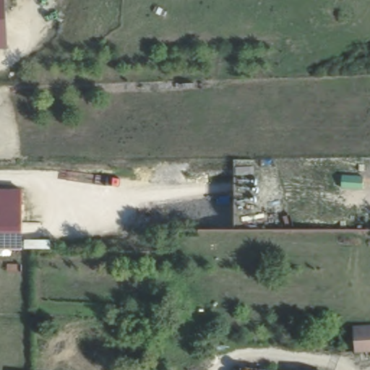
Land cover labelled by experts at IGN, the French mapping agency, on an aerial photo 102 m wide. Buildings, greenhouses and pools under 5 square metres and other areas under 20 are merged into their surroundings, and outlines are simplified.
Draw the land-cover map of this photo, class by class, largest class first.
<instances>
[{"label":"herbaceous vegetation","instance_id":"1","mask_svg":"<svg viewBox=\"0 0 370 370\"><path fill-rule=\"evenodd\" d=\"M53 14L45 17V20L52 22L48 35L39 43L38 48L20 56L17 61L19 64L32 62L33 59L39 61L42 55L62 58L65 52H74L72 42H84L97 36H101L103 42L111 40L116 43L121 56L137 55L140 51V40L145 38L169 42L185 35H195L199 40L254 38L269 43V49H264L263 55L260 56L263 65L238 64L236 78L309 75V65L330 56L341 55L347 51V46L351 45V42L370 40V0H55ZM244 155L249 159H237L233 162V194L230 191H223L217 192L220 195L217 199H210V195L204 194L201 198L184 199L172 204L156 205L153 208H139L142 223L147 225L160 227L165 224L168 228H182L185 237L181 240L179 250L184 251L186 262H195L201 269L217 266L214 275L189 283V302L195 308L194 314L189 321L179 327V343L172 350L165 351V354L158 358V366L150 370H208L215 356L221 358V366H225L233 360L230 358L231 351L240 348L231 341L228 345H217V348L207 351V356L210 357L208 360L194 361L189 357V353L195 351V341L205 340L208 332L217 330L218 314L212 309L220 304L230 315H236L237 308H249L247 330L256 331L263 325L270 332L269 344L272 347L295 351L298 343L304 341L301 338V331L309 332L317 319L335 314L344 324L341 325L340 332L328 343L334 348L331 354L343 356L354 350L353 328L370 325V205L345 207L344 194L340 192L341 182L343 176L361 175L363 179L370 178V158L269 159L267 155L257 153L244 152ZM263 176L277 179V186L282 191L279 212L275 211V208H264L251 202L254 179L259 181ZM285 251L291 254V269L305 267L304 273L292 280L288 288L272 292L262 283L251 279L256 272L264 273L266 269L282 266ZM22 169L52 171L58 172L59 179L95 185H111L114 178L134 181L146 169L150 173L158 172L163 178L182 173L185 178L195 179L205 172L202 168V159H189L186 163H156L152 168L139 166L132 171L124 168L110 169L104 165L90 163L56 165L52 160L39 162L36 155L26 158L20 153L16 158L10 159H3L0 156V172ZM142 237L119 227L116 233L106 236H92L87 231H81L77 237H55L49 246L55 247L62 243H65L66 247L85 246L92 253L95 247L101 244L106 247V253L97 259H68L59 256L55 260L39 257L36 260L38 266L30 273L29 249H26L14 251L10 256L0 254V370H33L32 334L40 330V327H42V324H43V322H48V321H58V322H59V332L64 330L68 322L78 321L82 330V337L77 343L78 350L90 363L101 366V370H113L117 358L127 357L143 361L146 350L140 347H113L110 344L111 340L119 338L120 328L108 324L107 312L126 306L129 299H136L140 308L149 305L152 308L155 304H162L166 289L169 288L168 282H156L149 277L142 282L132 277L123 282L113 279L111 272L117 259H158V249L142 246Z\"/></svg>","mask_w":370,"mask_h":370},{"label":"agricultural land","instance_id":"2","mask_svg":"<svg viewBox=\"0 0 370 370\"><path fill-rule=\"evenodd\" d=\"M207 87L202 90L194 82L172 84L153 81L145 82L143 87H137L134 82L103 84L101 88L111 94L110 106L104 110L95 108L92 113L84 116V121L77 130L55 119L52 120L51 126L42 129L35 121L25 119L16 111L14 117L19 133L20 153L26 158L36 155L39 162L52 160L56 165L90 163L104 165L110 169L124 168L132 171L139 166L152 168L156 163H186L189 159H202V168L205 172L217 169L223 173L225 156L244 155V152L257 153L267 155L269 159L370 158V74L366 72L358 75L319 77L309 75L236 78L207 79Z\"/></svg>","mask_w":370,"mask_h":370},{"label":"pervious surface","instance_id":"3","mask_svg":"<svg viewBox=\"0 0 370 370\"><path fill-rule=\"evenodd\" d=\"M55 0H0V69L4 71L17 61L20 56L38 48L39 43L48 35L52 22L45 20V17L53 14ZM16 111L10 100V87L3 85L0 88V156L3 159H10L16 158L20 153L19 133L14 117ZM237 159H249L244 155L225 156L223 173L217 169L205 172L195 179L185 178L182 173L163 178L158 172L150 173L146 169L134 181L114 178L111 185H95L59 179L58 172L52 171L22 169L0 172V179L22 188L20 228L23 234L20 237L25 241L26 249H29L46 250L49 246L55 237H77L81 231H87L92 236H106L116 233L119 227L142 237L149 228L147 225L142 223L139 208H153L156 205L172 204L184 199L201 198L204 194L210 195V199H217L220 195L217 192L223 191H230L233 194V162ZM251 202L264 208H275V211L279 212L282 191L277 186V179L263 176L259 181L254 179ZM340 192L344 194L345 207L370 205V178L363 179L361 184L341 182ZM82 330L78 321L68 322L64 330L59 332H58V335H55V337L51 338V340H49V341H48L40 356L43 370H101V366L90 363L78 350L77 343L82 337ZM230 358L233 360L225 366H221V358L215 356L208 370H370V351L354 350L343 356L331 354L295 351L272 347L240 348L231 351Z\"/></svg>","mask_w":370,"mask_h":370},{"label":"coniferous trees","instance_id":"4","mask_svg":"<svg viewBox=\"0 0 370 370\"><path fill-rule=\"evenodd\" d=\"M74 52H65L62 58L42 55L39 61L33 59L32 62L19 64L17 61L4 71L0 69V88L3 85L10 87V100L16 111L25 119L35 121L42 129L51 126L52 120L55 119L77 130L84 121V116L92 113L95 108L104 110L110 106L111 94L101 88L103 84L134 82L137 87H143L145 82L153 81L172 84L194 82L202 90L207 87V79L236 78L238 64L263 65L260 56L263 55L264 49H269V43L254 38L199 40L195 35H185L169 42L145 38L140 40V51L137 55L121 56L116 43L111 40L103 42L101 36H97L84 42H72Z\"/></svg>","mask_w":370,"mask_h":370},{"label":"deciduous trees","instance_id":"5","mask_svg":"<svg viewBox=\"0 0 370 370\"><path fill-rule=\"evenodd\" d=\"M149 228L142 237V246L158 249V259H117L111 272L113 279L123 282L132 277L142 282L149 277L156 282H168L169 288L166 289L162 304H155L152 308L149 305L140 308L136 299H129L126 306L107 312L108 324L120 328L119 338L111 340L110 344L113 347H140L146 350L143 361L127 357L117 358L113 370H150L158 366V358L165 354V351L172 350L179 343V327L189 321L194 314L195 308L189 302V283L214 275L217 266L201 269L195 262H186L184 251L179 250L181 240L185 237L182 228H168L165 224L160 227L147 225ZM59 256L68 259H97L106 253V247L101 244L95 247L92 253L85 246L66 247L65 243H62L55 247ZM305 267L291 269V254L285 251L282 266L266 269L264 273L256 272L251 279L262 283L272 292L288 288L292 280L304 273ZM218 314L217 330L208 332L205 340L195 341V351L189 353V357L194 361L208 360L210 357L207 356V351L217 348V345H228L231 341L240 348L272 347L269 344L270 332L263 325L256 331L247 330L249 308H237L236 315H230L220 304L212 309ZM344 324L335 314L317 319L309 332L301 331V338L304 341L298 343L295 351L331 354L334 348L328 343L340 332L341 325ZM40 330H42V331H43V334H45V338H46V340H48V341H49V340H51V338L55 337V335H58V332H59V322H58V321H48V322H43V324H42V327H40Z\"/></svg>","mask_w":370,"mask_h":370},{"label":"brushwood","instance_id":"6","mask_svg":"<svg viewBox=\"0 0 370 370\"><path fill-rule=\"evenodd\" d=\"M366 72L370 74V40L351 42V45L347 46V51L341 55L330 56L309 65V75L319 77L358 75ZM30 273L38 266L36 260L39 257L55 260L59 256L55 247L49 246L46 250L29 249ZM48 341V340H46V338H45V334H43V331H42V330H40L32 334L33 370H43L40 356Z\"/></svg>","mask_w":370,"mask_h":370},{"label":"building","instance_id":"7","mask_svg":"<svg viewBox=\"0 0 370 370\"><path fill-rule=\"evenodd\" d=\"M363 179L361 175L343 176L341 182L361 184ZM22 188L0 179V254L10 256L14 251L26 249L25 241L20 237L23 234L20 228ZM354 350L370 351V325L353 328Z\"/></svg>","mask_w":370,"mask_h":370}]
</instances>
